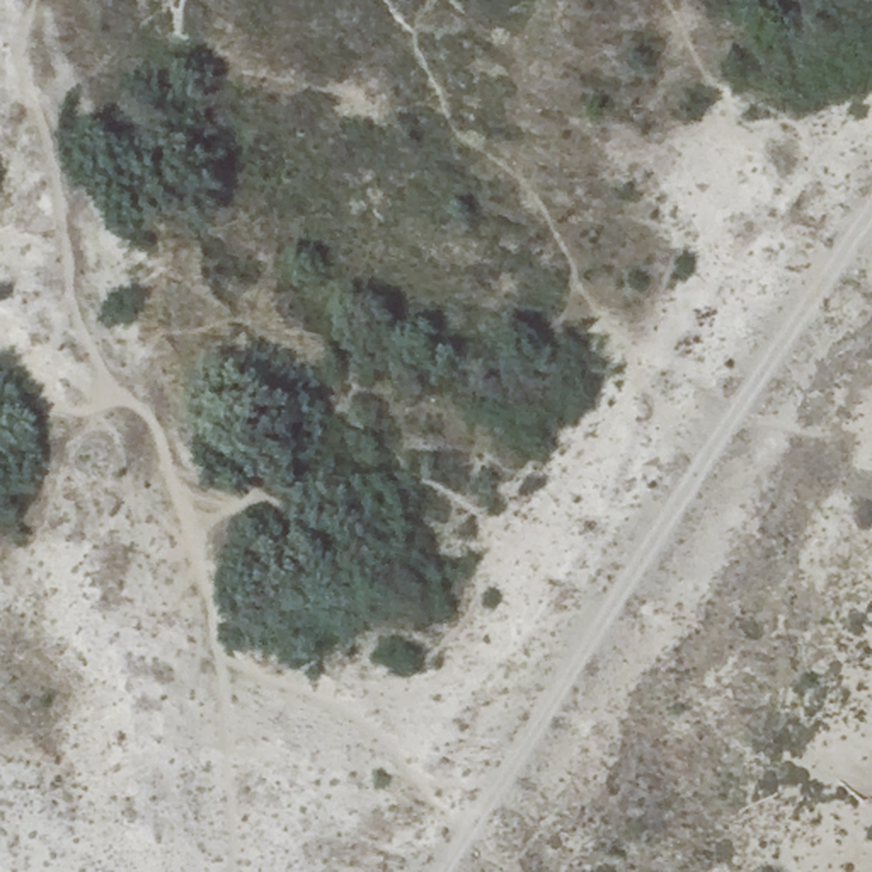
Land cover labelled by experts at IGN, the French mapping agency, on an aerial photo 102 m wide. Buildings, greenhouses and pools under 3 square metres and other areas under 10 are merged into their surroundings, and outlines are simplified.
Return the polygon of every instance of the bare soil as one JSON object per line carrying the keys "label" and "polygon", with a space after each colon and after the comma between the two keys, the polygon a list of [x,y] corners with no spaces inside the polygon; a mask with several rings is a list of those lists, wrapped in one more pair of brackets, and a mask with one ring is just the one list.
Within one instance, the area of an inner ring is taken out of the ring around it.
{"label": "bare soil", "polygon": [[429,872],[436,865],[436,855],[429,848],[439,838],[450,841],[456,828],[487,818],[463,794],[473,787],[473,777],[463,777],[463,770],[453,766],[453,756],[436,760],[433,746],[456,739],[456,729],[473,729],[460,719],[460,709],[480,688],[487,671],[508,661],[528,640],[528,634],[552,630],[555,613],[569,610],[569,600],[579,586],[565,582],[565,576],[579,559],[579,545],[586,542],[582,535],[593,535],[596,525],[620,525],[627,518],[610,501],[613,484],[620,477],[644,473],[644,463],[651,460],[640,439],[634,436],[634,426],[651,422],[654,409],[674,395],[674,388],[698,392],[702,385],[722,382],[722,392],[729,399],[739,392],[736,378],[726,378],[726,368],[736,368],[736,358],[749,347],[746,330],[777,303],[777,279],[787,269],[800,235],[821,232],[828,225],[824,215],[807,215],[811,201],[824,198],[824,184],[807,184],[787,211],[766,208],[773,194],[773,177],[797,170],[800,116],[780,112],[773,119],[753,123],[743,116],[746,109],[739,95],[732,92],[719,99],[698,123],[691,123],[671,133],[674,146],[681,150],[681,160],[661,181],[661,191],[668,198],[661,208],[657,235],[681,252],[695,252],[695,273],[685,283],[678,283],[678,290],[654,293],[654,310],[647,310],[644,320],[627,324],[620,313],[606,307],[593,320],[593,334],[606,337],[606,382],[596,409],[559,433],[559,446],[548,463],[548,484],[521,504],[504,508],[501,514],[491,514],[477,525],[477,535],[484,538],[480,552],[484,562],[477,565],[473,579],[460,596],[460,617],[456,623],[446,623],[446,664],[439,671],[422,671],[402,678],[375,661],[358,654],[347,668],[327,664],[320,678],[307,678],[303,671],[279,664],[276,654],[225,651],[218,637],[221,613],[215,600],[215,548],[225,542],[232,514],[252,504],[279,508],[279,494],[255,487],[245,494],[228,494],[201,487],[201,467],[191,453],[191,412],[181,364],[164,344],[160,330],[140,341],[136,324],[106,327],[99,320],[102,303],[112,290],[150,286],[167,273],[167,259],[153,252],[133,249],[119,235],[112,235],[92,194],[65,181],[55,129],[61,102],[72,89],[75,68],[65,58],[55,10],[48,3],[20,0],[0,0],[0,351],[17,351],[20,364],[48,399],[51,422],[51,467],[44,477],[41,501],[27,508],[27,525],[34,538],[24,548],[17,548],[10,538],[0,538],[0,613],[7,606],[20,610],[24,637],[44,640],[51,661],[85,674],[82,691],[72,698],[72,712],[61,719],[61,763],[51,763],[31,739],[10,739],[7,732],[0,732],[0,872]]}
{"label": "bare soil", "polygon": [[501,831],[480,835],[456,872],[872,872],[872,276],[865,269],[855,269],[855,276],[841,276],[838,286],[828,290],[828,296],[821,300],[821,317],[804,327],[804,334],[783,358],[777,378],[770,378],[770,385],[756,399],[753,409],[760,416],[777,416],[783,399],[800,409],[800,426],[790,436],[780,460],[766,467],[753,456],[749,429],[739,426],[732,433],[726,453],[715,460],[691,508],[681,514],[671,542],[644,572],[637,593],[627,596],[620,617],[610,627],[610,637],[596,647],[596,654],[586,661],[582,674],[569,688],[569,698],[559,705],[559,715],[552,719],[538,749],[525,763],[518,790],[504,807],[497,807]]}

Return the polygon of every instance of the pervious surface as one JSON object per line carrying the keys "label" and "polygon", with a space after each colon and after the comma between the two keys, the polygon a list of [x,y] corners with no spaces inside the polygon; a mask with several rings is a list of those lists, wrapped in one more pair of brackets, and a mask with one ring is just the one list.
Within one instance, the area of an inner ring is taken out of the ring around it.
{"label": "pervious surface", "polygon": [[753,456],[766,467],[780,460],[790,436],[800,426],[800,409],[783,399],[777,416],[760,416],[753,409],[756,399],[770,385],[770,378],[777,378],[783,358],[804,334],[804,327],[821,317],[821,300],[828,296],[828,290],[838,286],[841,276],[855,276],[855,269],[865,269],[872,276],[872,95],[848,95],[838,106],[800,116],[797,170],[773,177],[773,194],[766,208],[787,211],[807,184],[824,184],[824,198],[811,201],[807,215],[824,215],[828,225],[821,232],[800,235],[787,269],[777,279],[777,303],[746,330],[749,347],[736,358],[736,368],[726,368],[726,378],[736,378],[739,392],[729,399],[722,392],[722,382],[702,385],[698,392],[674,388],[674,395],[654,409],[651,422],[634,426],[634,436],[640,439],[651,460],[644,463],[644,473],[620,477],[613,484],[610,501],[627,518],[620,525],[596,525],[593,535],[582,535],[586,542],[579,545],[579,559],[565,576],[565,582],[579,586],[569,600],[569,610],[555,613],[552,630],[528,634],[528,640],[508,661],[487,671],[480,688],[460,709],[460,719],[473,729],[456,729],[456,739],[433,746],[436,760],[453,756],[453,766],[463,770],[463,777],[473,777],[473,787],[463,794],[487,818],[456,828],[450,841],[439,838],[429,848],[436,855],[436,865],[429,872],[456,872],[480,835],[501,831],[497,807],[504,807],[518,790],[525,763],[538,749],[552,719],[559,715],[559,705],[569,698],[569,688],[582,674],[586,661],[596,654],[596,647],[610,637],[610,627],[620,617],[627,596],[637,593],[644,572],[671,542],[681,514],[691,508],[715,460],[726,453],[732,433],[739,426],[749,429]]}

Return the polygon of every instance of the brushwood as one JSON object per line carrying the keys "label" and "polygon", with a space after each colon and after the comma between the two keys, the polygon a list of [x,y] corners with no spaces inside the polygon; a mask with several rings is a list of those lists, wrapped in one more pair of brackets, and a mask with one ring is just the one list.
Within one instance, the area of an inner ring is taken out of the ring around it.
{"label": "brushwood", "polygon": [[208,235],[215,235],[215,215],[235,201],[238,191],[242,146],[235,129],[225,129],[208,106],[201,106],[198,75],[184,65],[187,44],[181,41],[160,41],[153,51],[143,55],[143,65],[136,72],[106,72],[92,78],[92,99],[78,102],[72,89],[61,102],[55,129],[65,181],[92,194],[112,235],[119,235],[133,249],[153,252],[164,242],[170,242],[170,252],[201,249]]}
{"label": "brushwood", "polygon": [[726,20],[732,20],[739,34],[732,41],[729,58],[719,68],[732,92],[739,95],[756,92],[780,112],[800,116],[838,106],[848,95],[872,95],[872,0],[732,0]]}
{"label": "brushwood", "polygon": [[402,637],[382,640],[375,661],[402,678],[422,671],[426,651]]}
{"label": "brushwood", "polygon": [[51,467],[51,422],[48,399],[20,364],[17,351],[0,351],[0,538],[10,538],[17,548],[24,548],[34,538],[27,525],[27,508],[41,501],[44,477]]}
{"label": "brushwood", "polygon": [[681,106],[691,123],[698,123],[719,99],[705,85],[685,89]]}
{"label": "brushwood", "polygon": [[569,327],[555,327],[555,337],[542,344],[525,324],[514,320],[511,307],[487,310],[477,303],[463,303],[463,327],[456,330],[467,337],[463,358],[453,354],[446,344],[429,344],[426,320],[399,324],[375,296],[354,300],[354,293],[344,293],[337,283],[320,276],[310,255],[286,249],[273,255],[276,313],[317,334],[324,341],[324,358],[300,361],[290,347],[259,337],[249,347],[225,344],[218,358],[198,354],[194,361],[181,364],[191,412],[191,453],[201,467],[201,487],[228,494],[245,494],[255,487],[279,494],[279,508],[252,504],[232,514],[225,542],[215,548],[215,600],[221,613],[218,637],[225,651],[276,654],[279,664],[303,671],[307,678],[320,678],[327,664],[327,657],[341,644],[368,634],[375,623],[405,620],[416,630],[429,630],[436,623],[446,623],[456,623],[460,617],[460,596],[473,579],[477,565],[484,562],[480,552],[439,552],[436,528],[450,518],[450,501],[422,487],[419,473],[433,467],[436,480],[450,484],[460,494],[470,494],[491,514],[501,514],[504,508],[501,484],[514,480],[518,467],[525,467],[528,460],[548,463],[559,446],[559,433],[596,409],[606,382],[606,337],[593,334],[593,320],[586,317]]}

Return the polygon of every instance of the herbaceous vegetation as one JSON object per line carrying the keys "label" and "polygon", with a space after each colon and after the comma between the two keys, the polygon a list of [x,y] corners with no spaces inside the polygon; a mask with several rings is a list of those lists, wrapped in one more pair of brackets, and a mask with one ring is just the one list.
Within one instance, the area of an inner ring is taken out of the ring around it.
{"label": "herbaceous vegetation", "polygon": [[753,123],[773,119],[780,112],[756,92],[739,95],[746,109],[743,116]]}
{"label": "herbaceous vegetation", "polygon": [[439,671],[446,664],[446,623],[436,623],[429,630],[416,630],[405,620],[375,623],[368,634],[341,644],[327,657],[327,664],[347,668],[358,654],[375,661],[382,640],[402,637],[426,651],[422,671]]}
{"label": "herbaceous vegetation", "polygon": [[518,467],[514,480],[501,484],[504,508],[521,504],[548,484],[548,463],[528,460],[525,467]]}
{"label": "herbaceous vegetation", "polygon": [[484,538],[477,535],[477,525],[491,514],[470,494],[460,494],[450,484],[436,480],[433,467],[419,473],[422,487],[450,501],[450,518],[436,528],[439,552],[480,552]]}
{"label": "herbaceous vegetation", "polygon": [[20,610],[7,606],[0,613],[0,732],[7,732],[10,739],[31,739],[51,763],[61,763],[61,719],[72,712],[72,698],[82,691],[85,674],[51,661],[44,640],[24,637]]}
{"label": "herbaceous vegetation", "polygon": [[542,344],[555,337],[555,327],[569,327],[586,317],[593,320],[606,307],[620,313],[627,324],[644,320],[647,310],[654,310],[654,293],[678,290],[678,283],[685,283],[695,273],[695,252],[681,252],[657,235],[661,208],[668,198],[661,191],[661,181],[681,160],[681,150],[674,146],[671,133],[691,123],[681,106],[685,89],[705,85],[719,99],[732,92],[719,68],[729,58],[732,41],[739,34],[732,20],[726,20],[732,0],[20,0],[48,3],[55,10],[65,58],[75,68],[72,89],[78,102],[92,99],[92,78],[106,72],[136,72],[143,65],[143,55],[153,51],[160,41],[181,41],[187,44],[184,65],[198,75],[201,106],[208,106],[225,129],[235,129],[242,146],[238,191],[235,201],[215,215],[215,235],[208,235],[201,249],[170,252],[170,242],[164,242],[153,252],[167,259],[167,273],[150,286],[112,290],[102,303],[99,320],[106,327],[136,324],[140,341],[160,330],[164,344],[181,364],[194,361],[198,354],[218,358],[225,344],[249,347],[259,337],[290,347],[300,361],[324,358],[324,341],[317,334],[276,313],[273,255],[286,249],[310,255],[320,276],[337,283],[344,293],[354,293],[354,300],[375,296],[399,324],[426,320],[429,344],[446,344],[453,354],[463,358],[467,337],[456,330],[463,327],[463,303],[477,303],[487,310],[511,307],[514,320],[525,324]]}

